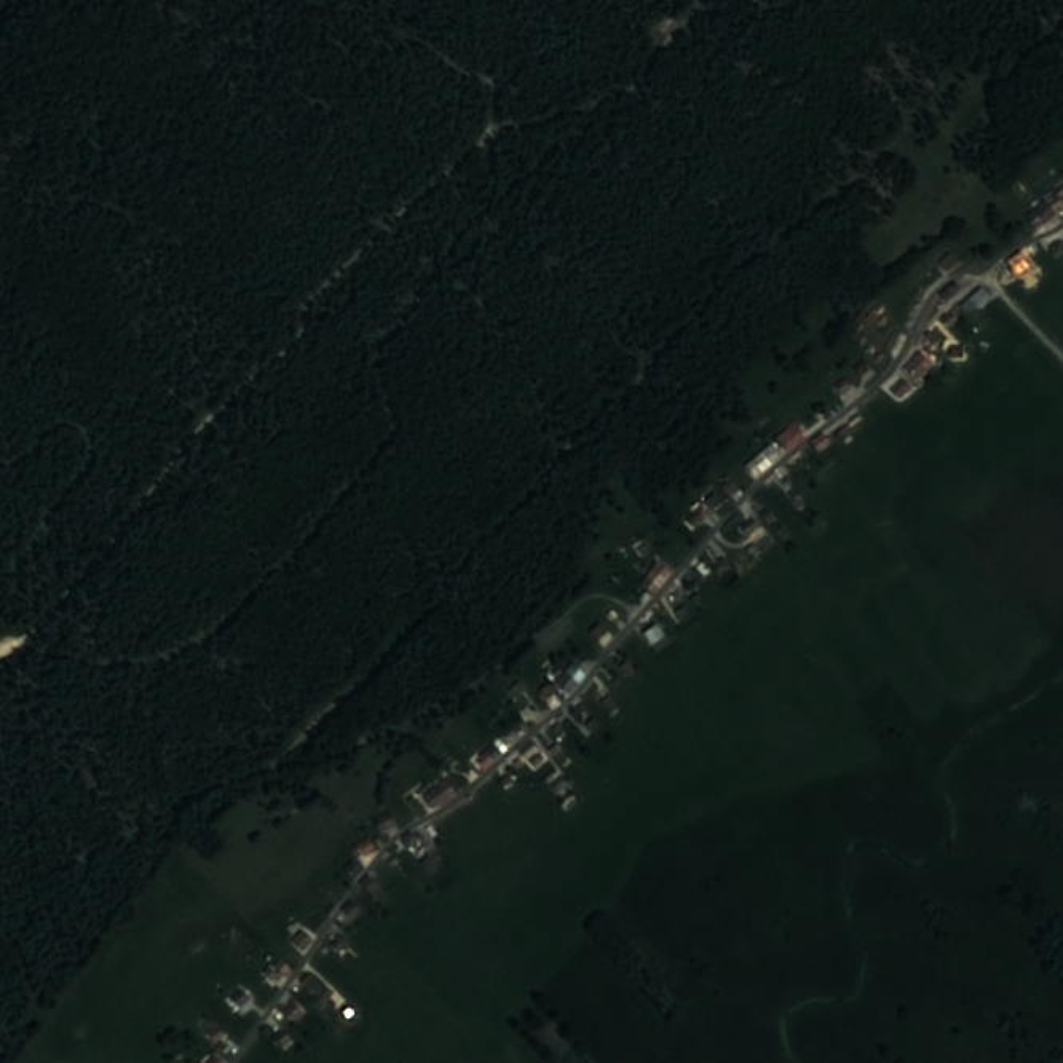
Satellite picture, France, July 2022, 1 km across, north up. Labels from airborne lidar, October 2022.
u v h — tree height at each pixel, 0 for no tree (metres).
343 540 18
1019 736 0
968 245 0
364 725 17
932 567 0
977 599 0
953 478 0
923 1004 0
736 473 0
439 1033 0
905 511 0
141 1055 0
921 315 0
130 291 17
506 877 0
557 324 19
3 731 28
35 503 20
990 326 0
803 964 0
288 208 13
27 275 19
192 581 20
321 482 18
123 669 24
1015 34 18
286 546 22
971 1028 0
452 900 0
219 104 22
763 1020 0
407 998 0
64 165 15
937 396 0
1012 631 0
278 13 18
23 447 16
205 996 0
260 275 24
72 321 19
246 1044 0
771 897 0
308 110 13
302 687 23
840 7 18
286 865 0
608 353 21
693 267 24
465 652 25
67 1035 0
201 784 20
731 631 0
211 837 18
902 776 0
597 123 14
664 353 18
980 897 0
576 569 7
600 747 0
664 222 20
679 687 0
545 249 25
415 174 21
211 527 17
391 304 23
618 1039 0
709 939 0
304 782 15
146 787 23
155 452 25
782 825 0
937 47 28
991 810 0
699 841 0
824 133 26
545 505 24
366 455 15
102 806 17
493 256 24
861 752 0
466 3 17
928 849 0
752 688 0
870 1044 0
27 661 28
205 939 0
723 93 18
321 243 18
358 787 0
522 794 0
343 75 21
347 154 8
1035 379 0
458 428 22
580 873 0
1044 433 0
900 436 0
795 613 0
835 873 0
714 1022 0
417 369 21
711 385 19
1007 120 24
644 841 0
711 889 11
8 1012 32
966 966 0
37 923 31
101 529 20
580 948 0
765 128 19
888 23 20
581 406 27
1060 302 0
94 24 18
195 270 13
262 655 22
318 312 11
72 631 25
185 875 0
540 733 0
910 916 0
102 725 15
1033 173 0
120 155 26
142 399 22
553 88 16
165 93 17
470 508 24
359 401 18
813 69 19
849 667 0
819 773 0
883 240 0
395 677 28
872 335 0
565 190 24
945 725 0
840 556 0
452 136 18
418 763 0
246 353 13
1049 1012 0
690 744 0
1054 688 0
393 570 19
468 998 0
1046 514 0
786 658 0
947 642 0
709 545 0
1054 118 25
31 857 22
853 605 0
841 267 26
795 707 0
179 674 21
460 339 17
